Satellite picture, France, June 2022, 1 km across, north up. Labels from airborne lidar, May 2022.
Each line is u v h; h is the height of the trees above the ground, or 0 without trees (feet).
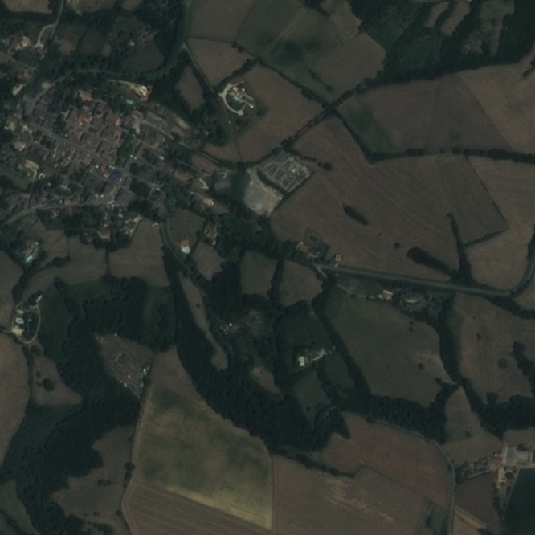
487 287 42
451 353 66
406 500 0
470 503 0
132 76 44
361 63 0
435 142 0
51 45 29
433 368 0
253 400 83
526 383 0
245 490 0
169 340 29
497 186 0
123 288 44
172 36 41
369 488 0
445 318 49
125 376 0
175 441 0
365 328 0
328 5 0
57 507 24
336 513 0
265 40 0
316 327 0
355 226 0
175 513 0
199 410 0
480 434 0
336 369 0
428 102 0
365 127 0
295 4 0
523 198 0
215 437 0
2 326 24
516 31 29
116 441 0
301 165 0
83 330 59
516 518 0
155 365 0
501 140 0
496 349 0
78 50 24
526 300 0
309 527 0
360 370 39
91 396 63
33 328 25
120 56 24
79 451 57
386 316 0
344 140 0
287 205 0
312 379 0
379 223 0
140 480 0
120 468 0
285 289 0
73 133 0
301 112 0
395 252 0
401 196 0
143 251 0
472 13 34
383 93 0
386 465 0
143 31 0
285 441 55
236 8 0
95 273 0
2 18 44
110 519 0
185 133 0
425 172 0
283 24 0
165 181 20
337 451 0
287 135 0
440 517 0
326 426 38
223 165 25
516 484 0
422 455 0
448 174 0
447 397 63
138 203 45
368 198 0
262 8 0
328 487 0
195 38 0
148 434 0
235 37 0
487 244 0
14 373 0
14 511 0
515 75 0
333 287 39
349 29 0
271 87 0
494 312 0
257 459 0
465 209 0
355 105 0
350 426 0
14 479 21
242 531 0
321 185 0
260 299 81
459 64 46
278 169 0
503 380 0
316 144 0
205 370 85
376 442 0
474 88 0
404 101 0
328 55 0
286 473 0
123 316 65
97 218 28
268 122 0
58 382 0
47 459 51
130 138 46
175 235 0
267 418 75
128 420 32
